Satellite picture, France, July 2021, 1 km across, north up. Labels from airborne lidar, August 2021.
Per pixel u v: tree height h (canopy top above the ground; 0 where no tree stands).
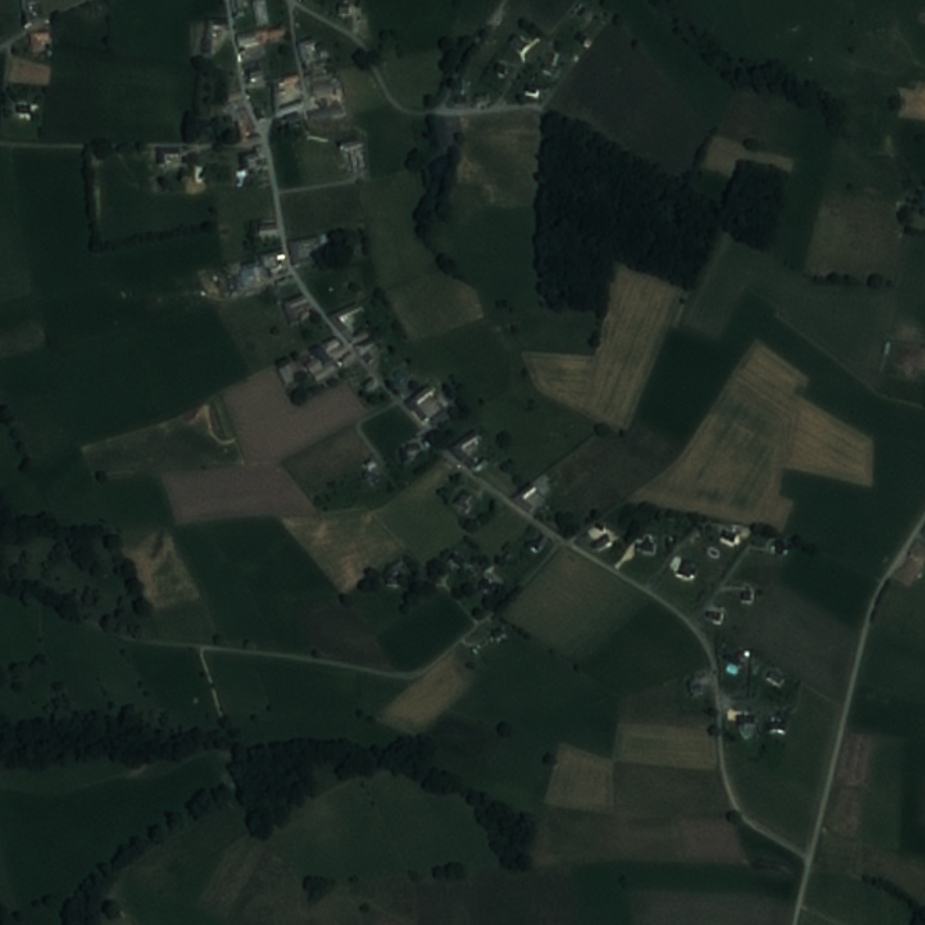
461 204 0
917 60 0
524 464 0
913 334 0
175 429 0
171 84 0
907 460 0
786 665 0
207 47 0
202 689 0
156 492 0
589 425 0
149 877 0
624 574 0
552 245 21
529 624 0
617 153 22
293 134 9
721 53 10
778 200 20
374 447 0
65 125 0
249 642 8
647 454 0
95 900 26
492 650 0
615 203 16
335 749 25
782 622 0
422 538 0
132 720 19
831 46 0
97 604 13
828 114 9
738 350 0
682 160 0
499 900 0
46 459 0
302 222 0
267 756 21
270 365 0
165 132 0
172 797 0
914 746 0
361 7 8
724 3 0
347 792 0
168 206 0
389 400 11
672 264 25
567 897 0
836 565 0
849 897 0
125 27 0
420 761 19
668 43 0
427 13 0
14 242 0
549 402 0
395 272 0
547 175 21
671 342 0
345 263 20
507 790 0
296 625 0
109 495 0
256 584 0
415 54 0
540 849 0
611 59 0
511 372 0
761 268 0
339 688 0
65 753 15
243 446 0
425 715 0
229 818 0
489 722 0
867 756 0
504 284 0
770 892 0
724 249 0
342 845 0
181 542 0
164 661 0
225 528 0
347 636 0
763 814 0
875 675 0
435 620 0
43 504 0
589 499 0
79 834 0
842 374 0
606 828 0
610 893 0
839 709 0
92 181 9
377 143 0
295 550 0
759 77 21
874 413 0
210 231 15
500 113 0
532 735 0
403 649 0
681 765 0
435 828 0
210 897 0
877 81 0
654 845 0
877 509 0
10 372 0
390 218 0
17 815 0
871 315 0
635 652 0
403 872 0
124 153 10
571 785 0
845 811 0
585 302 23
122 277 0
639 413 0
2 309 0
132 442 0
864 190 0
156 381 0
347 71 0
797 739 0
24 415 0
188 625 0
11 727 17
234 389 0
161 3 0
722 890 0
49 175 0
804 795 0
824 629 0
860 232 0
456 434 12
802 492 0
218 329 0
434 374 0
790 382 0
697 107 0
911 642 0
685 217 25
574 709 0
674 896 0
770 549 0
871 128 0
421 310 0
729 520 0
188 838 0
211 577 0
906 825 0
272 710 10
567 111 0
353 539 0
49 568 10
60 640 0
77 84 0
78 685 0
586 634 0
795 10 0
